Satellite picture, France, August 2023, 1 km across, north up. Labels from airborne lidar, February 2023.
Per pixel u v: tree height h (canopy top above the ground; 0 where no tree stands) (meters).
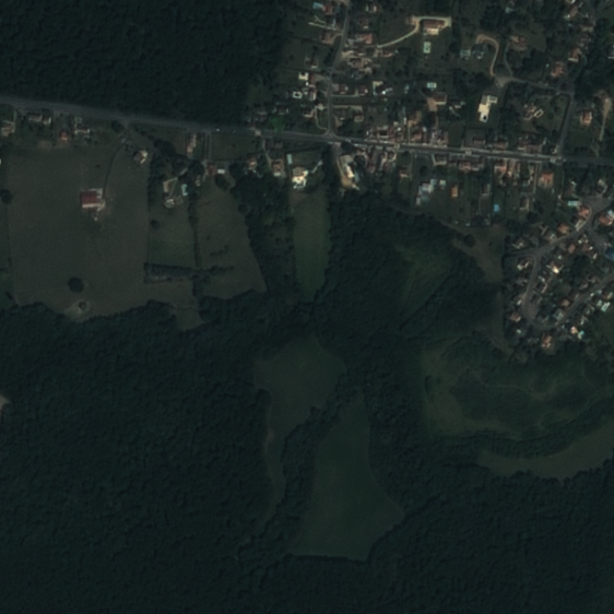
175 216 0
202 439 19
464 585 23
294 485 15
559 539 19
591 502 20
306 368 0
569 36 21
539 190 0
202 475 25
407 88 0
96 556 22
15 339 26
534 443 9
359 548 0
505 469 0
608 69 22
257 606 29
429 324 6
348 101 0
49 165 0
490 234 0
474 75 6
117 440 21
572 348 20
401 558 20
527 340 7
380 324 19
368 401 7
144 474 20
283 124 9
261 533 0
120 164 0
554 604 22
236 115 15
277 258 13
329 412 10
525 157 0
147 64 24
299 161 0
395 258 8
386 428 18
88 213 0
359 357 18
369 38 0
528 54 0
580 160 0
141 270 0
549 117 0
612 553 11
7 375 19
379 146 0
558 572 19
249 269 0
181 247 0
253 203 15
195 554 23
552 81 10
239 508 24
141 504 22
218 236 0
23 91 20
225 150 0
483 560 19
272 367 0
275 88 7
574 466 0
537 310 0
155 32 26
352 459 0
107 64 21
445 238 12
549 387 0
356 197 17
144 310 11
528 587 20
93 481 21
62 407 23
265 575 20
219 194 0
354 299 18
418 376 13
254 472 25
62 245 0
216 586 26
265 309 32
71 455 22
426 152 0
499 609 19
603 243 0
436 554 20
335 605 29
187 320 0
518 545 13
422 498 6
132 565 25
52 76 23
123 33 25
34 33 23
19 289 0
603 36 21
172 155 15
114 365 24
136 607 25
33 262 0
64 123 0
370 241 21
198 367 22
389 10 11
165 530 22
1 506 24
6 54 24
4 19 21
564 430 7
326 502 0
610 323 0
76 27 22
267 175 10
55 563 22
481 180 13
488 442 10
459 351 6
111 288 0
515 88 6
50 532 19
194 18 26
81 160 0
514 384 0
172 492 27
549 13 10
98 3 26
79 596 23
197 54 27
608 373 7
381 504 0
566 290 0
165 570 24
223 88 22
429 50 0
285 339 8
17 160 0
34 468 23
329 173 14
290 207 9
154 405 23
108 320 13
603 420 17
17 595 22
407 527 20
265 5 27
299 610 27
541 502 11
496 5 7
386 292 8
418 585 13
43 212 0
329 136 0
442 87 0
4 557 23
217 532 23
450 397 0
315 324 8
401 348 19
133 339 23
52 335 22
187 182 14
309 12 8
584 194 6
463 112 9
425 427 10
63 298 0
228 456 24
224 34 31
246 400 20
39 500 16
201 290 12
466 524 18
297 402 0
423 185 0
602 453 0
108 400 21
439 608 15
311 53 0
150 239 0
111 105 16
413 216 6
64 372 24
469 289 14
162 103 21
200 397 16
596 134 0
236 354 22
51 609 22
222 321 17
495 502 13
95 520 17
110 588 23
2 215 0
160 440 20
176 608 27
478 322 7
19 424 16
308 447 19
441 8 15
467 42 0
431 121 9
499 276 0
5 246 0
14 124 0
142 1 25
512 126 8
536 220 17
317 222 0
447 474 23
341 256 6
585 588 14
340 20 6
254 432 23
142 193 0
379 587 27
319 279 0
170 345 27
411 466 15
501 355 14
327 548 0
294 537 12
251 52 22
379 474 7
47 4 22
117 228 0
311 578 23
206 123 13
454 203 0
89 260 0
